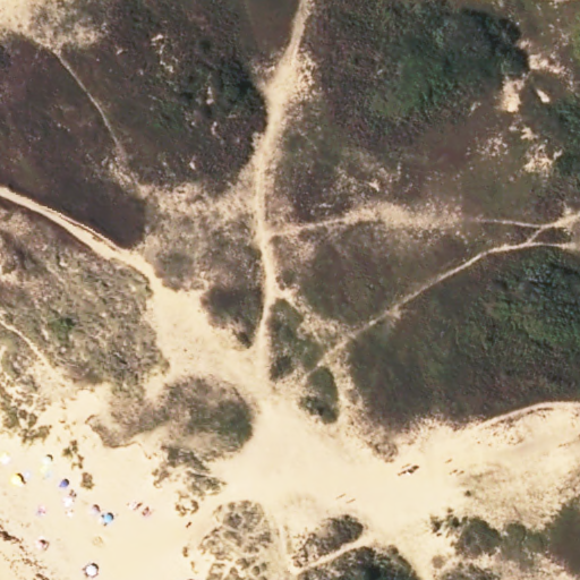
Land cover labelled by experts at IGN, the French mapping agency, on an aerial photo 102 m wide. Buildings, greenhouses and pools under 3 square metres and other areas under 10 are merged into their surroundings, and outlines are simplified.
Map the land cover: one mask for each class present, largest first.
<instances>
[{"label":"herbaceous vegetation","instance_id":"1","mask_svg":"<svg viewBox=\"0 0 580 580\"><path fill-rule=\"evenodd\" d=\"M299 0H118L113 9L116 23L109 27L106 36L97 39L91 45H63L61 54H52L48 48H41L16 32L0 41V186L18 195H25L43 206H50L79 224L91 227L93 231L102 233L122 249H131L145 238L147 202L125 190L109 174V165L102 163V159H113V147L122 145L127 152V170L134 172L143 184L161 186L163 190L172 193L177 186L197 184L211 193V197L220 199L227 190L233 188L240 170L251 161L254 136L267 129V104L258 113H249L240 104L233 106L229 102L231 91H215L213 75L197 68L202 59L215 61L220 57L227 59L238 54L240 61L251 70V79L261 91L267 82L276 77L279 61L283 59L285 48L290 45ZM480 0H315L299 45L315 61L313 86L299 91L295 97L297 102H288V125L281 136V161L276 163V168L265 170V174L274 179L272 190L265 193V224L270 229L344 215L347 211L363 208L369 202H390L410 208L412 204H433L435 199L446 202L449 197H455V204L467 215L510 218L526 222H553L562 218L569 208L580 211V0H489L503 18L512 20L519 27L521 39L535 41L541 50L539 54L548 63L564 66L560 75L535 70L530 66L521 73L519 79L523 82V88L519 93V109L505 111L503 84L517 79V75L512 73V63L503 57L492 54L489 43L483 39V29L460 11L464 7H478ZM487 138H503L510 152L498 156H483L480 150ZM535 145H546V154L560 150L562 156L548 170L528 172V150ZM580 240V222H575L566 231H544L537 240ZM532 236V229L526 227L474 224L467 242L444 233V238L426 256L406 254L385 258L372 256V251H367L365 247H356L349 258H342L329 242L313 254L310 261V272L301 281L299 292L301 297H306L308 306L319 317L351 326L356 322L374 317L376 313L392 308L396 297L406 295L415 283L462 263L480 249L503 242H521ZM351 381L363 394L369 421L392 428L396 433L410 430L421 419L446 421L451 428L460 430L471 421H485L496 415L512 412L532 403L580 401V251H566L555 247H528L519 251L492 254L474 267L442 281L440 285L426 290L424 295L406 304L399 322L394 324L387 338H374L367 331L351 340L347 347ZM304 322L301 313H297L285 299H279L272 306L270 319V376L272 381H279L295 367H304L308 374V385L315 387V396H304L299 406L313 415H319L322 421H335L338 387L331 369L317 365V360L324 353L319 351V344L313 340L310 333L306 338L297 335V329ZM188 433L224 435L236 451H240L245 442L251 437V410L242 399L240 403L224 401L218 408L206 406L197 399H188ZM521 548H532L539 553H544L557 564H564L566 571L578 580H580V510L578 501L571 498L566 505H562L555 519L546 523L544 530H528L521 523H508L505 528L494 530L487 521L476 517L464 530V535L455 541L458 555H494L510 560ZM331 535H326L317 546L322 555H326L363 535V523H358L351 517H340L331 521ZM335 562L340 580H419L410 562L394 546H387L383 553H376L374 548L351 551Z\"/></svg>","mask_w":580,"mask_h":580},{"label":"pervious surface","instance_id":"2","mask_svg":"<svg viewBox=\"0 0 580 580\"><path fill-rule=\"evenodd\" d=\"M118 0H0V41L16 32L41 48H48L52 54H61L63 45H91L97 39L106 36L109 27L116 23L113 9ZM315 0H299L290 45L285 48L283 59L279 61L276 77L267 82L261 91L267 104V129L254 136L251 161L240 170L233 188L227 190L220 199L211 197V193L197 184L177 186L172 193L163 190L161 186L143 184L134 172L127 170V152L122 145L113 147V159H102V163L109 165V174L125 190L147 202L145 238L131 249H122L102 233L93 231L91 227L79 224L50 206H43L25 195H18L0 186V197L50 218L52 222L70 231L75 238L86 242L100 256L116 261L118 267H136L138 272H143L150 279L154 295L147 301V310L140 315V319L156 331V347L170 360V372L179 381L188 376H197L204 381L208 376L220 378L224 383L236 385L242 399L251 410V437L245 442L240 451H236L227 460L208 462L211 478L227 483L220 489H206V496L213 501L215 508L240 501L258 503L265 517L270 519V530L279 526H290L292 535H310L331 521L340 517H351L358 523H363V535L326 555H322L317 546L308 551V557H304L301 551L292 557L299 573L317 566L322 569L324 564L335 562L351 551L374 548L376 553H383L387 546H394L410 562L419 580H442L458 564L487 569L489 573H494V580H578L566 571L564 564H557L544 553H539L537 566L530 571H521L519 564L510 560L494 555H458L455 541L464 535V530L476 517L487 521L494 530L505 528L508 523H521L528 530H544L546 523L555 519L562 505H566L571 498L578 501L580 510V401L532 403L512 412L496 415L485 421H471L460 430L451 428L446 421L421 419L410 430L396 433L392 428L369 421L363 394L351 381L347 347L351 340L367 331L374 338H387L394 324L399 322L406 304L424 295L426 290L440 285L442 281L474 267L492 254L519 251L528 247H555L566 251H580V240H537L544 231H566L575 222H580V211L569 208L562 218L553 222H526L510 218L467 215L455 204V197H449L446 202L435 199L433 204H412L410 208L390 202H369L363 208L347 211L344 215L270 229L265 224V193L272 190L274 179L265 174V170L276 168V163L281 161V136L288 125V102H297L295 97L299 91L313 86L315 61L299 45ZM474 224L526 227L532 229V236L521 242H503L480 249L462 263L415 283L406 295L396 297L392 308L376 313L374 317L356 322L351 326L319 317L308 306L306 297H301L299 292L281 288L276 281L279 272L272 238H288L301 261H310L313 254L329 242L342 258H349L356 247H365L367 251H372V256L385 258L406 254L426 256L444 238V233L467 242ZM279 299H285L297 313H301L304 322L297 329V335L306 338L310 333L313 340L319 344V351L324 353L317 360V365L331 369L338 387L335 421H322L319 415H313L299 406L304 396H315V387L308 385V374L304 367H295L279 381H272L270 376V319L272 306Z\"/></svg>","mask_w":580,"mask_h":580},{"label":"bare soil","instance_id":"3","mask_svg":"<svg viewBox=\"0 0 580 580\"><path fill-rule=\"evenodd\" d=\"M519 48L528 54L530 66L535 70L560 75L564 66L548 63L539 54L541 50L535 41L521 39ZM523 88V82L519 79H517L503 84L505 111L519 109V93ZM510 152L503 138H487L480 150L483 156H498ZM562 156L560 150L546 154V145H535L528 150V172L548 170ZM154 295L150 279L143 272H138L136 267H118L116 261L100 256L86 242L75 238L70 231L52 222L50 218L0 197V580H340L335 562L324 564L322 569L317 566L299 573L292 557L301 551L304 557H308V551L317 546L326 535H331V521L310 535H292L290 526H279L270 530V519L265 517L258 503L240 501L215 508L213 501L206 496V489H220L227 483L211 478L208 462L227 460L236 451L224 435L188 433V399H197L206 406L218 408L224 401L240 403L242 399L236 385L224 383L220 378L208 376L204 381L197 376H188L179 381L170 372V360L156 347V331L140 319V315L147 310V301ZM279 272L276 281L281 288L299 292L301 281L310 272V261H301L288 238H272ZM539 553L532 548H521L510 560L519 564L521 571H530L537 566ZM442 580H494V573H489L487 569L458 564Z\"/></svg>","mask_w":580,"mask_h":580},{"label":"brushwood","instance_id":"4","mask_svg":"<svg viewBox=\"0 0 580 580\"><path fill-rule=\"evenodd\" d=\"M460 11L483 29V39L489 43L492 54L503 57L512 63V73L517 75V79H519L521 73L530 66L528 54L519 48L521 39L519 27L512 20L503 18L489 0H480L478 7H464ZM197 68L213 75L215 91H231L229 102L233 106L240 104L249 113H258L267 104L261 91L251 79V70L240 61L238 54L227 59L220 57L215 61L202 59Z\"/></svg>","mask_w":580,"mask_h":580}]
</instances>
